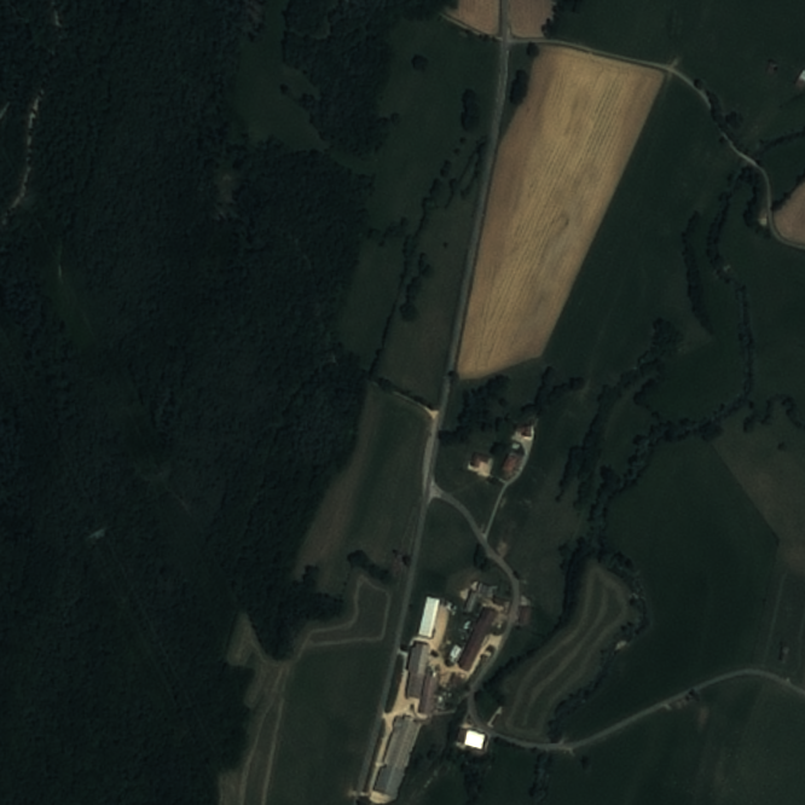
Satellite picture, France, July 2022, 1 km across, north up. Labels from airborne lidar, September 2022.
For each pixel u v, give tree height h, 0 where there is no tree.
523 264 0
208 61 20
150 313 8
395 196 0
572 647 0
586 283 0
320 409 10
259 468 16
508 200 0
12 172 7
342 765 0
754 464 0
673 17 0
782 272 0
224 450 6
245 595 21
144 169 13
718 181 0
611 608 0
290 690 0
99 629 22
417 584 0
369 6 18
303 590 11
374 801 0
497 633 0
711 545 0
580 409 0
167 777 29
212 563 7
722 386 0
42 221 7
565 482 13
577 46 0
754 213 17
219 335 14
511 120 0
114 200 8
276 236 14
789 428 0
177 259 18
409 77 0
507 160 0
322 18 13
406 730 0
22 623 22
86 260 11
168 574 17
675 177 0
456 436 14
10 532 10
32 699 14
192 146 20
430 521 0
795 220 0
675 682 0
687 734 0
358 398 15
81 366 20
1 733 20
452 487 0
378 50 20
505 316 0
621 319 0
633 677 0
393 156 0
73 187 20
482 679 0
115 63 21
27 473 23
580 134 0
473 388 0
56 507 17
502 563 0
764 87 0
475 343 0
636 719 0
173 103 18
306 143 0
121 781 19
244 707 8
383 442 0
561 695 0
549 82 0
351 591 0
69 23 14
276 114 0
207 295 12
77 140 17
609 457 0
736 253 0
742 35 0
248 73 0
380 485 0
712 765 0
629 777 0
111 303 6
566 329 0
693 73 0
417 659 0
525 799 0
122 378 7
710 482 0
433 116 0
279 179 19
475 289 0
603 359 0
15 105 8
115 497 18
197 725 17
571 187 0
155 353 22
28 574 20
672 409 0
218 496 6
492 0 0
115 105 15
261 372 15
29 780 20
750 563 0
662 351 8
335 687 0
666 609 0
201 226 20
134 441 8
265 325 14
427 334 0
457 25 0
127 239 9
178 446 17
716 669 0
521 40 0
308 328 18
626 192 0
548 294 0
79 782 18
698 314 13
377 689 0
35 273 18
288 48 16
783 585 0
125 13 25
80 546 18
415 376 0
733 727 0
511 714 0
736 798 0
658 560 0
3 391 15
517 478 0
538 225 0
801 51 0
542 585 0
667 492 0
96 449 15
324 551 0
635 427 0
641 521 0
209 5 21
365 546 0
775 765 0
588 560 15
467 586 0
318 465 8
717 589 0
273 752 0
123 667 20
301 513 16
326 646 0
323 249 13
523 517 0
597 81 0
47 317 21
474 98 20
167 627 17
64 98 13
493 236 0
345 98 21
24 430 20
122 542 19
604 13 0
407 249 11
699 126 0
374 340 0
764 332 0
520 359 0
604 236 0
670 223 0
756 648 0
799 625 0
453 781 0
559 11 15
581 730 0
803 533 0
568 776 0
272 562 20
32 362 22
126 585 14
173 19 13
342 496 0
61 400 18
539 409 13
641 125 0
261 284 12
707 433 11
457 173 0
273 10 0
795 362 0
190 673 19
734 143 9
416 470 0
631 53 0
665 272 0
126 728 23
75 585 16
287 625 21
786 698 0
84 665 20
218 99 19
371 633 0
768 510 0
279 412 15
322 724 0
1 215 14
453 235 0
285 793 0
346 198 16
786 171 0
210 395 9
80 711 26
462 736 0
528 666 0
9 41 15
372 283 0
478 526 0
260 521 19
